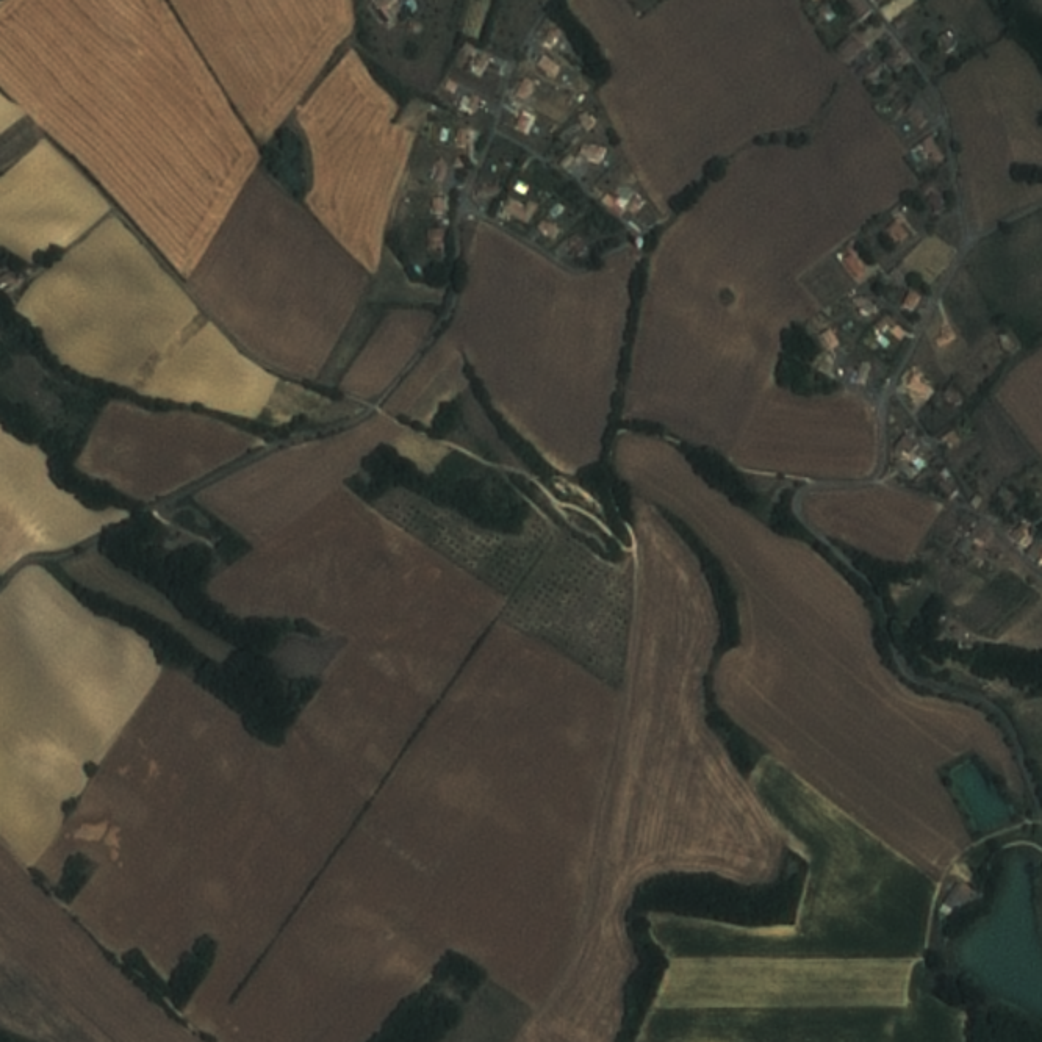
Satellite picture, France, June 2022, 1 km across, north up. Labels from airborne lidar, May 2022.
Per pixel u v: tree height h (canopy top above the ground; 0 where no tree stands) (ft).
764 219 0
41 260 52
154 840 0
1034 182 45
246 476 0
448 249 32
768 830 0
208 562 25
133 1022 0
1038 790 25
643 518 0
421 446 0
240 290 0
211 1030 0
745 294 0
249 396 0
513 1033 0
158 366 0
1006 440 0
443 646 0
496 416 36
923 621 40
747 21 0
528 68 0
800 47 0
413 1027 37
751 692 0
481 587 0
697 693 0
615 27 0
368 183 0
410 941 0
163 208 0
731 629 43
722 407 0
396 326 0
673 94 0
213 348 0
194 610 64
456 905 0
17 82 0
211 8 0
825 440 0
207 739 0
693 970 0
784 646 0
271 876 0
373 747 0
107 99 0
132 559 55
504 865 0
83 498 47
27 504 0
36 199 0
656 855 0
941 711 0
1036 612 0
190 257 0
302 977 0
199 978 45
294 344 0
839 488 0
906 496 0
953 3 0
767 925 42
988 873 37
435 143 0
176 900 0
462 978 41
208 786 0
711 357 0
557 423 0
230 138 0
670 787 0
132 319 0
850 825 0
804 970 0
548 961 0
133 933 0
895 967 0
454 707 0
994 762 0
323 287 0
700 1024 0
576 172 0
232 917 0
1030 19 0
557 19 41
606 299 0
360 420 0
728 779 0
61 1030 0
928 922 0
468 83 0
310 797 0
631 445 0
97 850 0
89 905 0
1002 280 0
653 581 0
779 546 0
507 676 0
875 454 0
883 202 0
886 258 0
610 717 0
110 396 21
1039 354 0
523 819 0
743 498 38
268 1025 0
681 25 0
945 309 0
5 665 0
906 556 0
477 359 0
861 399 0
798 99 0
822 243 0
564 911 0
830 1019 0
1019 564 0
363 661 0
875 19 36
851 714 0
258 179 0
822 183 0
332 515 0
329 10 0
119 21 0
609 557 28
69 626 0
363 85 0
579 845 0
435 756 0
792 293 0
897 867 0
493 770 0
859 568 51
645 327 0
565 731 0
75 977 0
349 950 0
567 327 0
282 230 0
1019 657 40
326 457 0
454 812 0
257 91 0
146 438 0
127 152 0
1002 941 0
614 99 0
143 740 0
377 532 0
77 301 0
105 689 0
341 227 0
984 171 0
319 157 0
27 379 0
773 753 0
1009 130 0
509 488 26
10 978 0
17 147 0
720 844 0
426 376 0
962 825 0
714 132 0
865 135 0
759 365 0
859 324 0
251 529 0
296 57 0
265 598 0
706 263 0
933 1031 0
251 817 0
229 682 68
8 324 30
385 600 0
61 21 0
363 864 0
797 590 0
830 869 0
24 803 0
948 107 0
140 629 35
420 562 0
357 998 0
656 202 0
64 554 0
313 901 0
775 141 37
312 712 0
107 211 0
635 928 34
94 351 0
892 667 25
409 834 0
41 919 0
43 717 0
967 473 18
